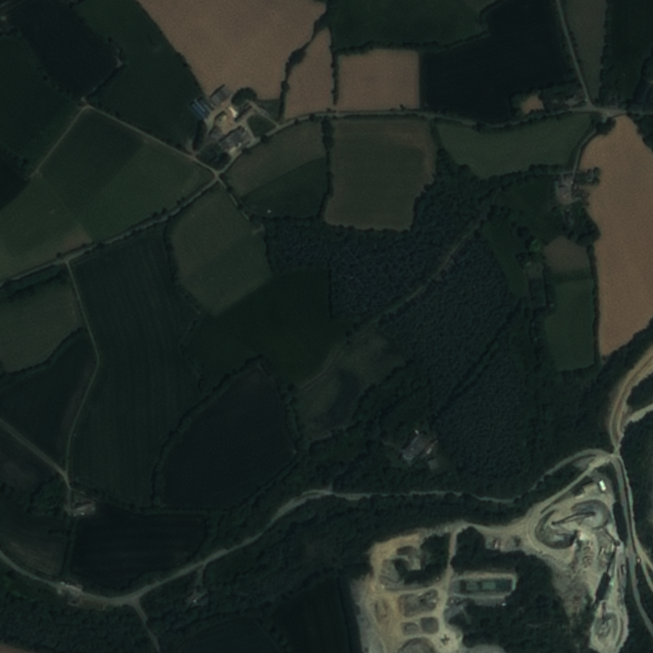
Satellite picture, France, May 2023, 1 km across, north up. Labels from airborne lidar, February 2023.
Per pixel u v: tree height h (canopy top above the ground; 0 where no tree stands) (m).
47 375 0
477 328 19
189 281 0
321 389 0
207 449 0
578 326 0
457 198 12
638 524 10
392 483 14
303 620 0
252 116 0
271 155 0
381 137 0
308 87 0
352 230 13
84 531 0
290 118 0
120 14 0
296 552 15
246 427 0
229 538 15
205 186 0
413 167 0
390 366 0
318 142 0
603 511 0
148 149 0
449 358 19
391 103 0
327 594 0
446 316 17
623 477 0
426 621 0
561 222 0
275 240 15
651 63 13
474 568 15
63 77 0
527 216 0
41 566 0
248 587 7
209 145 0
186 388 0
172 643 15
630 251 0
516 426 17
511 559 17
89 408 0
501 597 0
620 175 0
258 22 0
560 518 0
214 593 15
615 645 0
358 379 0
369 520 12
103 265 0
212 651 0
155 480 17
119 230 0
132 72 0
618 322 0
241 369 7
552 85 12
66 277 12
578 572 0
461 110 0
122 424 0
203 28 0
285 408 7
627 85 0
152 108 0
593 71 0
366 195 0
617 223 0
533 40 0
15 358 0
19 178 0
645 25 0
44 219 0
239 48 0
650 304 0
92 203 0
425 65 0
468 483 11
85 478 0
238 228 0
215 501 0
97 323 0
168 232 9
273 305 0
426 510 15
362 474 8
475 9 0
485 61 0
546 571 11
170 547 0
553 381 7
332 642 0
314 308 0
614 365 20
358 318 9
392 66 0
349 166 0
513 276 0
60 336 0
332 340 0
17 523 0
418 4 0
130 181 0
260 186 0
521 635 8
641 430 8
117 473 0
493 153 0
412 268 12
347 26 0
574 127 0
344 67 0
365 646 0
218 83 0
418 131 0
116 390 0
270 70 0
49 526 0
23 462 0
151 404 0
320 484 15
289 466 6
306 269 6
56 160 0
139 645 15
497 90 0
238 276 0
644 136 15
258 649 0
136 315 0
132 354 0
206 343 0
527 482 13
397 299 15
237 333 0
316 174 0
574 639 0
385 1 0
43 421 0
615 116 0
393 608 0
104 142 0
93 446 0
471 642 14
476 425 20
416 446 0
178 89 0
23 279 9
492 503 8
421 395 17
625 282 0
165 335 0
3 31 11
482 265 22
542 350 18
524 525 0
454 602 0
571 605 0
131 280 0
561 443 16
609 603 0
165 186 0
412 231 10
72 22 0
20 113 0
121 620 7
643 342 19
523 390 13
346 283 15
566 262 0
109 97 0
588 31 0
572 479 9
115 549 0
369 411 9
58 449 0
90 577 0
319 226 10
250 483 0
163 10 0
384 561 0
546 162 0
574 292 0
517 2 0
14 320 0
